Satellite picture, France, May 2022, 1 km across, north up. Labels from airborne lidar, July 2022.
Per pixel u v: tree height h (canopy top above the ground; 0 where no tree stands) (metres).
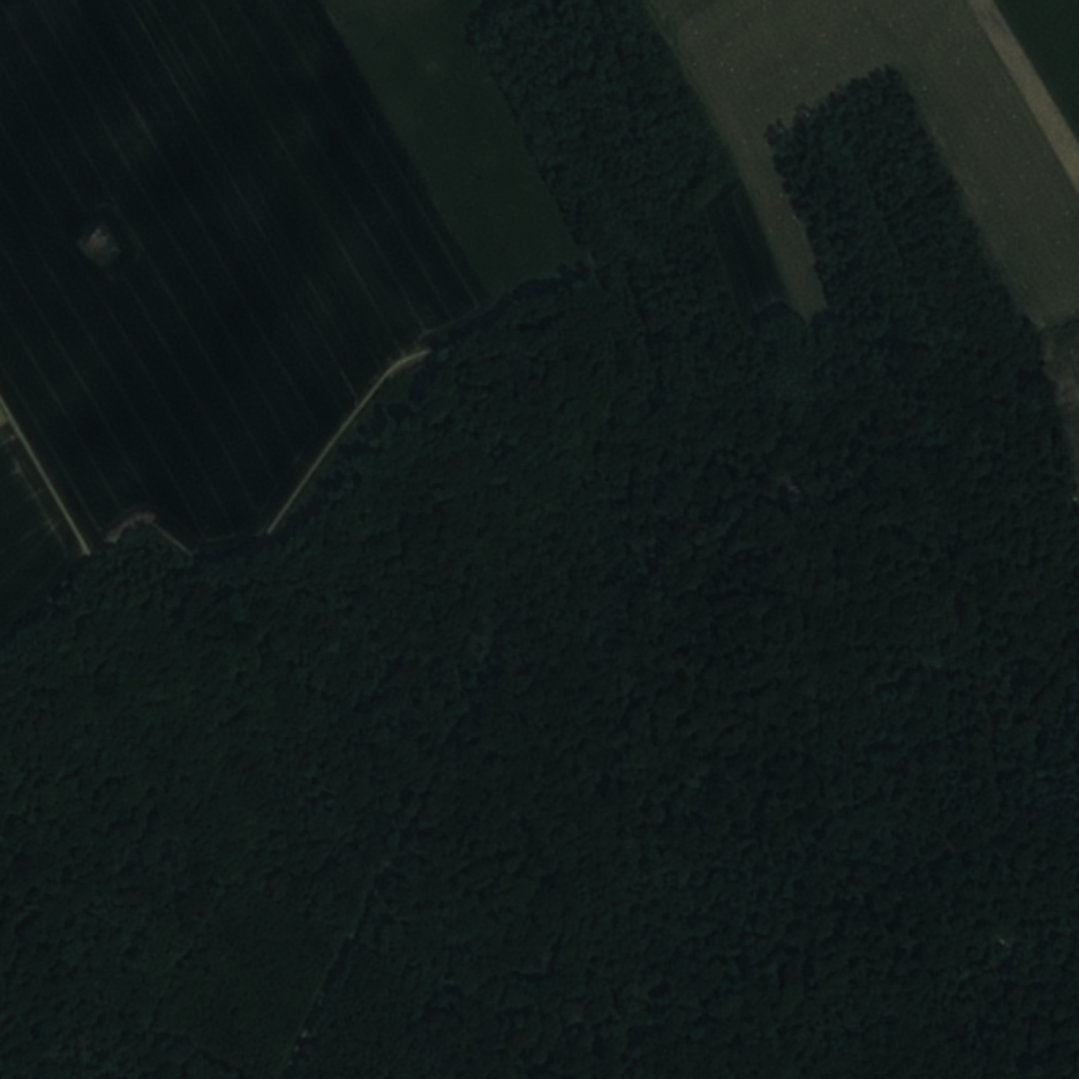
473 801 27
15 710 25
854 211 30
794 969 33
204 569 22
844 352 24
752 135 0
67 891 28
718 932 24
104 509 0
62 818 25
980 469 27
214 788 23
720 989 27
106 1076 15
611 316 29
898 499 27
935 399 29
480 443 27
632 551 29
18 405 0
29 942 25
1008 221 0
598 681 27
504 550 24
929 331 25
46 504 0
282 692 30
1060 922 23
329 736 26
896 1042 25
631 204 29
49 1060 29
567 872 22
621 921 26
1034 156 0
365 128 0
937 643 21
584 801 29
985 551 23
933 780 23
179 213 0
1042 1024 26
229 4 0
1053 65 0
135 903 18
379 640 26
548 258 0
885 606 25
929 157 21
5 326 0
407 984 25
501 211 0
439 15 0
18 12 0
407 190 0
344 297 0
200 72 0
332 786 25
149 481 0
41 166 0
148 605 26
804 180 13
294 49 0
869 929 31
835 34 0
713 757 30
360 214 0
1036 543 23
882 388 29
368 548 26
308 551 24
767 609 28
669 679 28
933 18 0
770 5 0
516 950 26
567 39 29
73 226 0
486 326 20
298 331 0
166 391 0
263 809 25
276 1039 11
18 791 23
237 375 0
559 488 27
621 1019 32
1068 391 0
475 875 29
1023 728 30
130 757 21
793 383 27
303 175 0
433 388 26
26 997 24
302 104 0
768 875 27
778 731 27
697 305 30
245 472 0
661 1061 27
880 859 29
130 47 0
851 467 30
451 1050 24
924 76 0
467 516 24
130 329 0
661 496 29
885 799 22
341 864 27
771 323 24
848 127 22
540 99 30
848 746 27
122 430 0
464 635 20
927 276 27
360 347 0
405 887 23
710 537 27
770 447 26
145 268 0
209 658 25
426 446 25
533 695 31
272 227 0
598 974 17
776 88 0
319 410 0
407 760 29
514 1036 31
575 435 25
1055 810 26
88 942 28
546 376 28
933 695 28
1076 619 22
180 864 26
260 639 16
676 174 27
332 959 8
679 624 18
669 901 27
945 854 6
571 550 27
